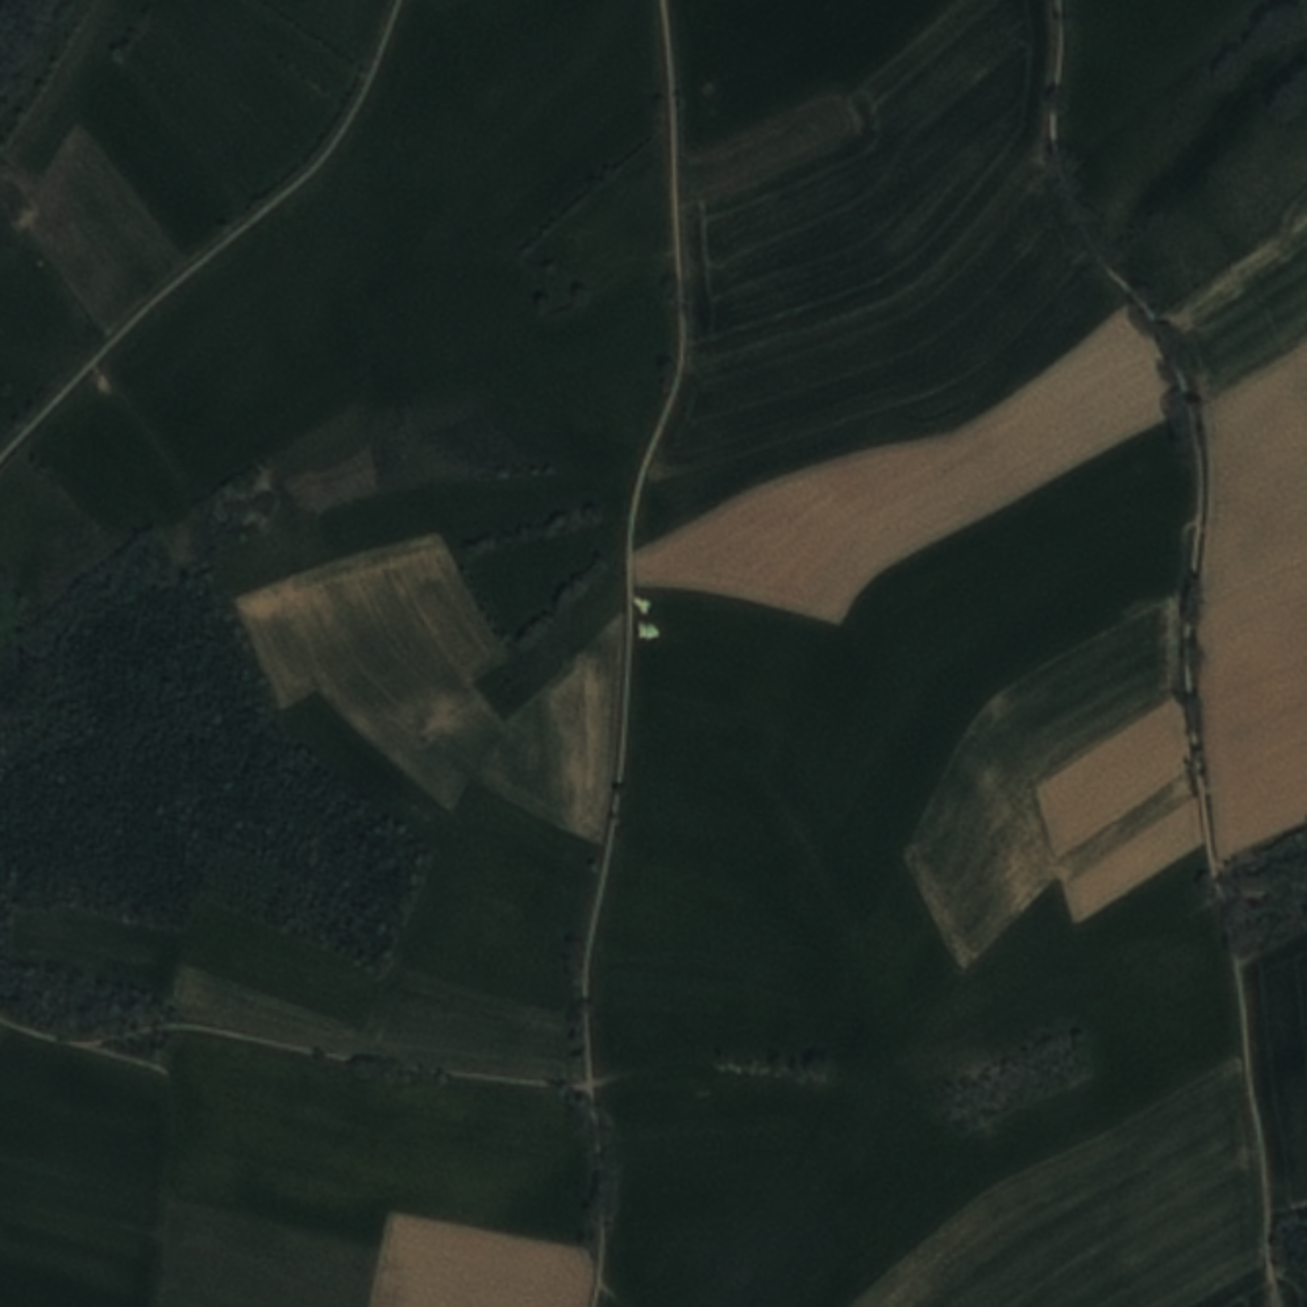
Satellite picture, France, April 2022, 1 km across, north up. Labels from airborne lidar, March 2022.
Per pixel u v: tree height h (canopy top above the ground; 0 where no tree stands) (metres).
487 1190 0
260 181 0
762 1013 0
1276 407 0
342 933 13
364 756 0
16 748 11
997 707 0
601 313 0
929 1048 0
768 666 0
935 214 0
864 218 0
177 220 0
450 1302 0
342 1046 0
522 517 0
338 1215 0
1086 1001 0
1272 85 0
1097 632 0
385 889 14
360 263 0
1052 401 0
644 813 0
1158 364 0
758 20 0
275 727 7
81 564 0
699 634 0
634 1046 0
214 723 14
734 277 0
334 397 0
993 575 0
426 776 0
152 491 0
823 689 0
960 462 0
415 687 0
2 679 21
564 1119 0
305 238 0
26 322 0
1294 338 0
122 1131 0
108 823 14
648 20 0
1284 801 0
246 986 0
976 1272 0
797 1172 0
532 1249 0
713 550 0
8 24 20
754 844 0
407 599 0
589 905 0
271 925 10
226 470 0
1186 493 0
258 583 0
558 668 0
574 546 0
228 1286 0
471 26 0
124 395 0
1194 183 0
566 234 0
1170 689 0
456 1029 0
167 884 14
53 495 0
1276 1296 0
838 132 0
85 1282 0
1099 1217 0
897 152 0
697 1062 0
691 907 0
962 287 0
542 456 0
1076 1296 0
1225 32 0
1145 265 0
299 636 0
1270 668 0
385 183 0
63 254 0
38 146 0
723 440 0
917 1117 0
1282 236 0
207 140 0
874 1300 0
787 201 0
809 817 0
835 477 0
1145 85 0
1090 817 0
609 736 0
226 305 0
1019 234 0
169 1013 12
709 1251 0
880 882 0
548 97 0
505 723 0
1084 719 0
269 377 0
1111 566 0
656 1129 0
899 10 0
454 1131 0
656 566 0
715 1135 0
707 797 0
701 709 0
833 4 0
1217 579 0
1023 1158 0
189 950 0
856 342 0
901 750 0
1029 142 0
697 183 0
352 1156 0
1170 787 0
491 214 0
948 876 0
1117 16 0
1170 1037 0
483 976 0
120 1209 0
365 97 0
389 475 0
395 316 0
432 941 0
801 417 0
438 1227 0
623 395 0
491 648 0
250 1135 0
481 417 0
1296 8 17
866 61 0
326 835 13
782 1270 0
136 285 0
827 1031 0
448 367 0
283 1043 0
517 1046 0
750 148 0
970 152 0
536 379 0
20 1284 0
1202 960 0
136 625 10
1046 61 0
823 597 0
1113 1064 0
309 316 0
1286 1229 16
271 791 13
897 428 0
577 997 0
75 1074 0
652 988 0
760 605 0
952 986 0
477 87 0
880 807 0
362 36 0
